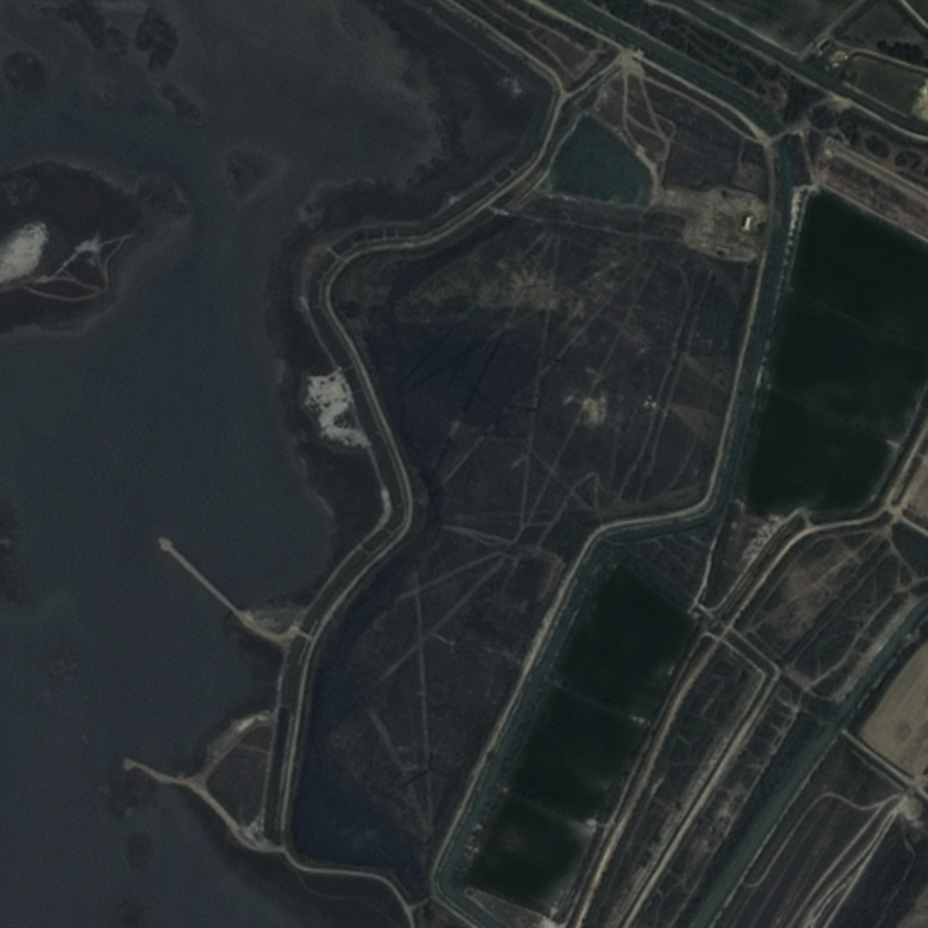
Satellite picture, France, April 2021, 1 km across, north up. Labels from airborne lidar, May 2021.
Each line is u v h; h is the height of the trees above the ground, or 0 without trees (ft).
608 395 0
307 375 0
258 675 0
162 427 0
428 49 0
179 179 0
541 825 0
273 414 0
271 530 0
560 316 0
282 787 0
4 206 0
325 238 0
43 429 0
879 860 0
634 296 0
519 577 0
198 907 0
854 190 0
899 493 0
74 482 0
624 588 0
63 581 0
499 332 0
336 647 0
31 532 0
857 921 0
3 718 0
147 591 0
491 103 0
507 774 20
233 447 0
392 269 0
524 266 0
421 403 0
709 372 0
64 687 0
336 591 0
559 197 0
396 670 0
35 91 0
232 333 0
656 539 0
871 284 0
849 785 0
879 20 0
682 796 0
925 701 0
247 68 0
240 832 0
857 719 22
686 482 0
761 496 0
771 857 0
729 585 0
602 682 0
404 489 0
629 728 0
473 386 0
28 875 0
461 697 0
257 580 0
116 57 0
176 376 0
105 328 0
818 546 0
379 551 0
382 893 0
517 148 0
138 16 0
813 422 0
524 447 0
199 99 0
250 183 0
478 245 0
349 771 0
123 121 0
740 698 0
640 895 0
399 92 0
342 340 0
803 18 0
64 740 0
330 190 0
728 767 0
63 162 0
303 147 0
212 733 0
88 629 0
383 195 0
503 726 0
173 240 0
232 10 0
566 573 0
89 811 0
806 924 0
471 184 0
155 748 0
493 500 0
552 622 0
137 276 0
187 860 0
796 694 20
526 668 0
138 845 0
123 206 0
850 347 0
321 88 0
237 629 0
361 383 0
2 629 0
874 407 0
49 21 0
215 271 0
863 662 0
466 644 0
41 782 0
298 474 0
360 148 0
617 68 0
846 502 0
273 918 0
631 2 22
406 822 0
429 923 0
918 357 0
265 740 0
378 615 0
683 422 0
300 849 0
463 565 0
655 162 0
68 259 0
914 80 0
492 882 0
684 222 0
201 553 0
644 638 0
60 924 0
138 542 0
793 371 0
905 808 0
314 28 0
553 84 0
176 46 0
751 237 0
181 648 0
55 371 0
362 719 0
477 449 0
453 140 0
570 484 0
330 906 0
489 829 0
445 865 0
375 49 0
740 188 0
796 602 0
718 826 0
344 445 0
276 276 0
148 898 0
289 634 0
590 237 0
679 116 0
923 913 0
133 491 0
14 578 0
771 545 0
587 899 0
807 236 0
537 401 0
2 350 0
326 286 0
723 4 0
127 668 0
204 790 0
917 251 0
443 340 0
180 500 0
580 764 0
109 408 0
